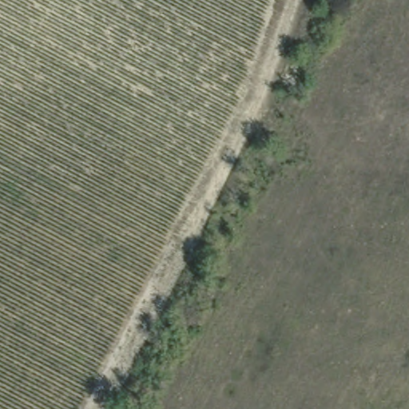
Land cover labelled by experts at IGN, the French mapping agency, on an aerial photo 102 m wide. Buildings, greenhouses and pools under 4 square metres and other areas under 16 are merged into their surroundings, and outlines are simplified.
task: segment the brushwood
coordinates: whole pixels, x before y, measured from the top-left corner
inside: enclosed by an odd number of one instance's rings
[[[302,121],[302,113],[307,113],[304,105],[312,101],[313,91],[318,86],[316,78],[323,72],[323,61],[342,45],[348,18],[353,8],[358,5],[358,0],[321,0],[315,6],[316,18],[307,22],[307,35],[299,38],[302,45],[297,48],[296,56],[291,56],[294,66],[302,66],[305,70],[304,96],[297,101],[284,91],[270,89],[267,94],[267,112],[259,120],[262,126],[268,129],[270,137],[267,145],[262,149],[254,149],[244,144],[238,157],[220,157],[220,160],[230,166],[230,173],[222,189],[217,193],[216,203],[209,209],[203,225],[212,230],[212,236],[209,236],[206,243],[211,243],[212,248],[217,249],[220,256],[228,257],[228,252],[240,248],[243,244],[248,228],[248,225],[244,224],[244,219],[249,214],[256,214],[257,201],[264,197],[272,177],[275,174],[283,176],[286,165],[297,165],[307,161],[310,147],[307,142],[315,133]]]
[[[126,395],[128,398],[136,399],[141,398],[145,391],[155,391],[157,403],[163,404],[169,393],[169,385],[173,385],[176,367],[179,364],[187,364],[195,342],[204,337],[204,334],[212,334],[212,329],[219,326],[219,323],[225,323],[219,313],[228,305],[225,291],[232,289],[232,283],[225,283],[224,276],[219,276],[217,283],[211,286],[206,286],[200,281],[192,296],[177,300],[177,304],[169,310],[169,320],[160,323],[158,318],[152,320],[147,313],[139,316],[137,329],[145,332],[147,339],[134,355],[128,371],[134,375],[142,369],[147,369],[149,375],[136,380]]]

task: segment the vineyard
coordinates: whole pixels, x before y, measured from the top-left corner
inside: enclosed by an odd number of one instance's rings
[[[185,195],[189,193],[190,187],[203,168],[204,161],[211,153],[214,142],[219,139],[225,120],[238,101],[236,89],[246,75],[244,62],[254,56],[254,45],[264,21],[268,0],[0,0],[0,409],[83,409],[89,396],[85,387],[86,379],[101,379],[102,374],[99,374],[99,371],[102,363],[110,353],[112,343],[120,336],[121,326],[129,320],[137,296],[144,291],[147,275],[155,267],[157,256],[165,246],[169,224],[176,217]]]

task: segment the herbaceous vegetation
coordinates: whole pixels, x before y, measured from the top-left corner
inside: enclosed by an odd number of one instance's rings
[[[203,225],[209,209],[216,203],[217,193],[222,189],[230,173],[230,166],[220,160],[220,157],[238,157],[244,144],[244,137],[251,133],[252,121],[259,120],[267,112],[267,94],[270,89],[270,83],[275,80],[276,67],[280,64],[281,37],[291,34],[292,24],[302,0],[268,0],[264,21],[254,45],[254,56],[244,62],[246,75],[236,89],[238,101],[225,120],[219,139],[214,142],[211,153],[204,161],[203,168],[190,187],[189,193],[185,195],[176,217],[169,224],[165,246],[157,256],[155,267],[147,275],[144,291],[137,296],[129,320],[121,326],[120,336],[112,343],[110,353],[102,363],[99,371],[99,374],[102,374],[101,379],[86,379],[85,387],[89,396],[83,409],[102,409],[99,404],[107,403],[107,399],[117,398],[120,393],[126,395],[136,380],[149,375],[147,369],[142,369],[134,375],[128,371],[134,355],[147,339],[145,332],[137,329],[139,316],[147,313],[152,320],[158,318],[153,297],[169,296],[177,276],[185,265],[182,252],[184,241],[190,236],[200,235]]]

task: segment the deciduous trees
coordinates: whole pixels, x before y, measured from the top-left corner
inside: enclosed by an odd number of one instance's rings
[[[219,276],[224,276],[232,270],[228,264],[228,257],[220,256],[217,249],[212,248],[211,243],[206,243],[209,236],[212,236],[212,230],[203,225],[200,235],[190,236],[184,241],[182,252],[185,265],[193,278],[200,281],[206,286],[211,286],[217,283]]]
[[[136,399],[128,398],[126,395],[120,393],[117,398],[107,399],[107,403],[99,404],[102,409],[163,409],[163,404],[157,403],[155,391],[145,391],[141,398]]]

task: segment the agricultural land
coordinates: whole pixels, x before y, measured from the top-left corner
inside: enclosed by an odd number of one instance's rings
[[[302,45],[299,38],[307,35],[307,22],[316,18],[315,6],[321,0],[302,0],[292,24],[291,34],[281,37],[280,64],[276,67],[275,80],[270,83],[270,89],[284,91],[297,101],[304,96],[305,70],[302,66],[294,66],[291,56],[296,56],[297,48]]]
[[[200,281],[193,278],[185,265],[177,276],[169,296],[153,297],[158,318],[160,323],[169,320],[169,310],[177,304],[177,300],[192,296]]]
[[[259,120],[252,121],[251,133],[244,137],[244,144],[254,149],[262,149],[267,145],[270,137],[268,129],[262,126]]]
[[[169,385],[169,393],[163,404],[163,409],[409,409],[409,0],[358,0],[358,5],[353,8],[348,18],[342,45],[323,61],[323,72],[316,78],[318,86],[313,91],[312,101],[304,105],[307,113],[302,113],[302,121],[315,133],[307,142],[310,147],[307,161],[297,165],[286,165],[283,176],[275,174],[272,177],[264,197],[257,201],[256,214],[249,214],[244,219],[244,224],[248,225],[248,228],[243,244],[240,248],[228,252],[228,257],[228,264],[232,270],[224,276],[225,283],[232,283],[232,289],[225,291],[228,305],[219,313],[225,323],[219,323],[219,326],[212,329],[212,334],[204,334],[204,337],[195,342],[187,364],[179,364],[176,367],[173,385]]]

